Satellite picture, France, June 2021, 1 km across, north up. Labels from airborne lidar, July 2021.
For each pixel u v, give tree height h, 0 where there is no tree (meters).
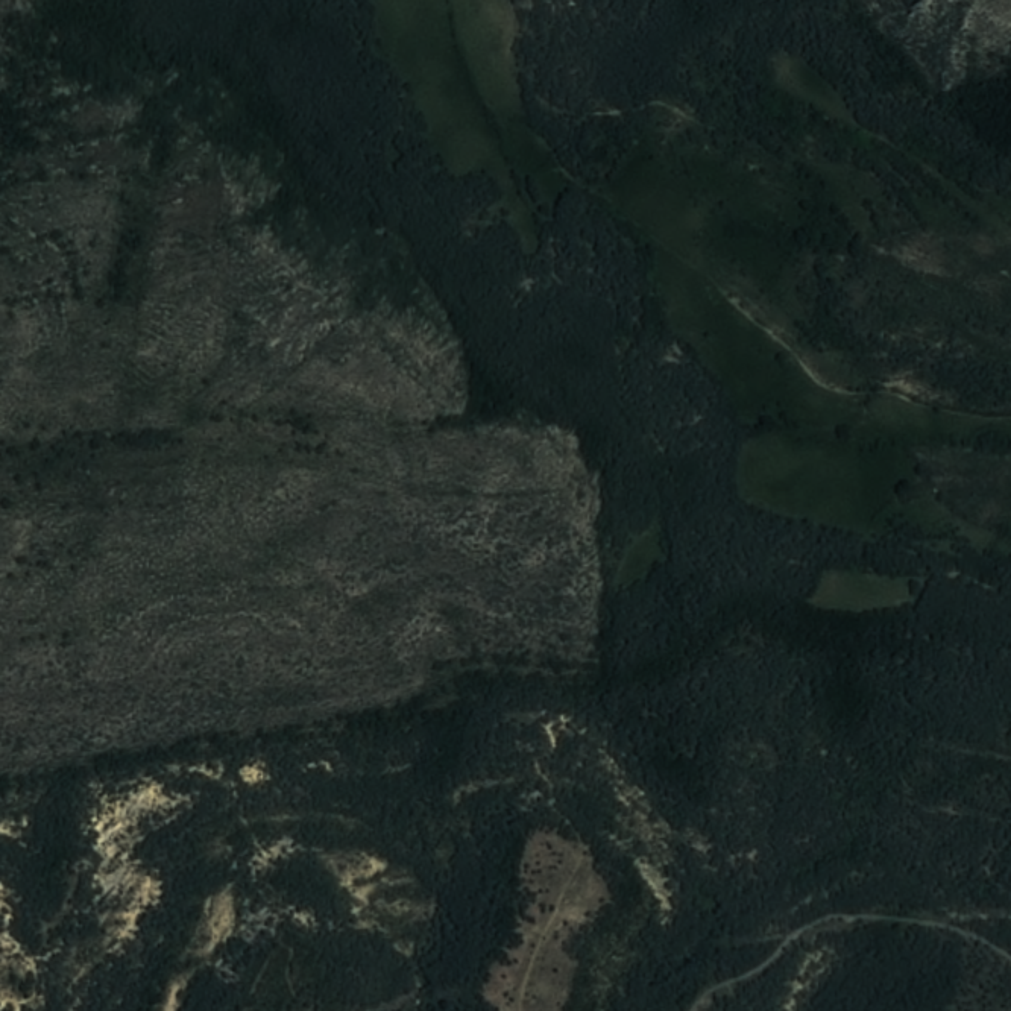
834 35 11
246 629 0
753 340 0
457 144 0
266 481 0
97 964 7
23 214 0
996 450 8
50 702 0
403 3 0
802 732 10
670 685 15
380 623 0
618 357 10
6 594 0
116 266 6
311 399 0
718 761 6
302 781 7
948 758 9
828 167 0
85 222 0
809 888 7
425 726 11
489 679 7
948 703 13
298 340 0
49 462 6
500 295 8
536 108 8
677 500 10
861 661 10
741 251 0
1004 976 6
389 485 0
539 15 7
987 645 12
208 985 11
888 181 10
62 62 8
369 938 7
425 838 8
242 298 0
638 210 0
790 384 0
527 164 0
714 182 0
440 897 11
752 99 11
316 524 0
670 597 13
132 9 13
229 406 0
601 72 7
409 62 0
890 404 0
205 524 0
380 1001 7
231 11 11
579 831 7
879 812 10
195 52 11
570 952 8
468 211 7
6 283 0
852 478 0
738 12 10
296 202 8
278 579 0
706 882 7
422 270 9
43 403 0
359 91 12
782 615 14
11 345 0
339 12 10
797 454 0
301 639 0
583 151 9
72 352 0
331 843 6
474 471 0
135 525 0
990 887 7
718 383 10
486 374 12
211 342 0
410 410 0
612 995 10
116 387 0
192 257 0
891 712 11
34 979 7
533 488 0
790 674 12
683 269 0
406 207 9
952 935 6
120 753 7
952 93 12
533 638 0
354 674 0
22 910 6
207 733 6
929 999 11
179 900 7
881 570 11
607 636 18
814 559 9
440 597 0
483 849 7
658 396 11
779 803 12
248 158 7
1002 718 8
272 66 16
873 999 8
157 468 0
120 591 0
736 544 11
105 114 0
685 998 7
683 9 10
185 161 0
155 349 0
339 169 12
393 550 0
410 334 0
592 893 0
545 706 7
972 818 8
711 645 16
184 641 0
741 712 7
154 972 7
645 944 11
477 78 0
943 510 0
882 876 7
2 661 0
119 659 0
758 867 10
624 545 10
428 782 8
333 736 7
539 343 10
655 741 17
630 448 12
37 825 8
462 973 11
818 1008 9
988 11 0
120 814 0
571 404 12
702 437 9
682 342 8
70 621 0
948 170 10
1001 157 8
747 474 0
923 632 11
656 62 11
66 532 0
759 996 6
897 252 0
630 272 10
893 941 11
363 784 7
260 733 9
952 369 8
